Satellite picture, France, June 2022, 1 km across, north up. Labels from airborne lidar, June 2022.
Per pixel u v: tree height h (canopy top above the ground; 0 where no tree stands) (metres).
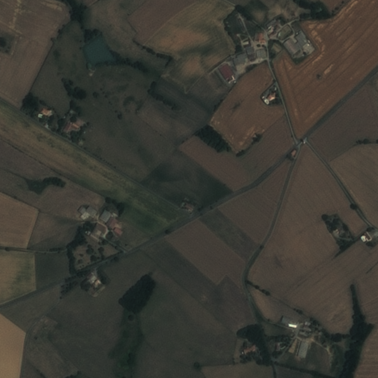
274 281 0
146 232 0
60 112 0
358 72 0
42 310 0
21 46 0
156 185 0
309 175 0
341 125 0
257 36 0
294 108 0
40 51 0
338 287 0
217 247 0
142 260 0
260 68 0
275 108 0
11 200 0
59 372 0
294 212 0
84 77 0
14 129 0
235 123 0
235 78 0
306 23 0
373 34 0
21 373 0
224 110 0
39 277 0
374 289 0
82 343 0
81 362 0
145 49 12
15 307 0
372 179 0
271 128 0
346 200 0
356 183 0
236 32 0
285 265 0
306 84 0
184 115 0
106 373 0
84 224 6
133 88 0
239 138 0
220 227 0
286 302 0
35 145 0
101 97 0
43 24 0
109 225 0
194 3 0
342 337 10
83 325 0
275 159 0
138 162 0
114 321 0
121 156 0
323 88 0
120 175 0
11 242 0
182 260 0
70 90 12
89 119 0
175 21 0
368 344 0
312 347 0
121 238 0
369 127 0
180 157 0
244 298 0
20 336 0
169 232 13
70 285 8
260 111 0
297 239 0
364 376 0
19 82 0
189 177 0
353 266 0
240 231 0
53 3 0
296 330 0
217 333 0
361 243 0
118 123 0
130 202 0
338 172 0
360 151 0
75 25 0
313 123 0
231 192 0
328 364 0
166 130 0
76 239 7
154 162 0
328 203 0
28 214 0
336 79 0
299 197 0
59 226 0
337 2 0
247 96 0
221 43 0
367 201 0
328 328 0
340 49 0
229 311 0
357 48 0
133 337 0
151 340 0
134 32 0
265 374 0
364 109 0
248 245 0
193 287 0
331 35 0
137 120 0
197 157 0
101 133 0
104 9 0
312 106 0
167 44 0
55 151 0
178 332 0
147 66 0
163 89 0
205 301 0
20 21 0
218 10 0
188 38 0
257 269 0
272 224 0
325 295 0
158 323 0
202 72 0
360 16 0
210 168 0
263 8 0
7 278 0
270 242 0
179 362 0
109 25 0
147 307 0
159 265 0
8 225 0
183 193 0
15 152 0
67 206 0
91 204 0
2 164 0
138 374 0
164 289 0
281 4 0
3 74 0
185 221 0
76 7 16
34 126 0
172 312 0
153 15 0
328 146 0
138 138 0
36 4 0
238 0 0
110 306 0
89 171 0
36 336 0
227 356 0
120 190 0
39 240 0
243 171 0
